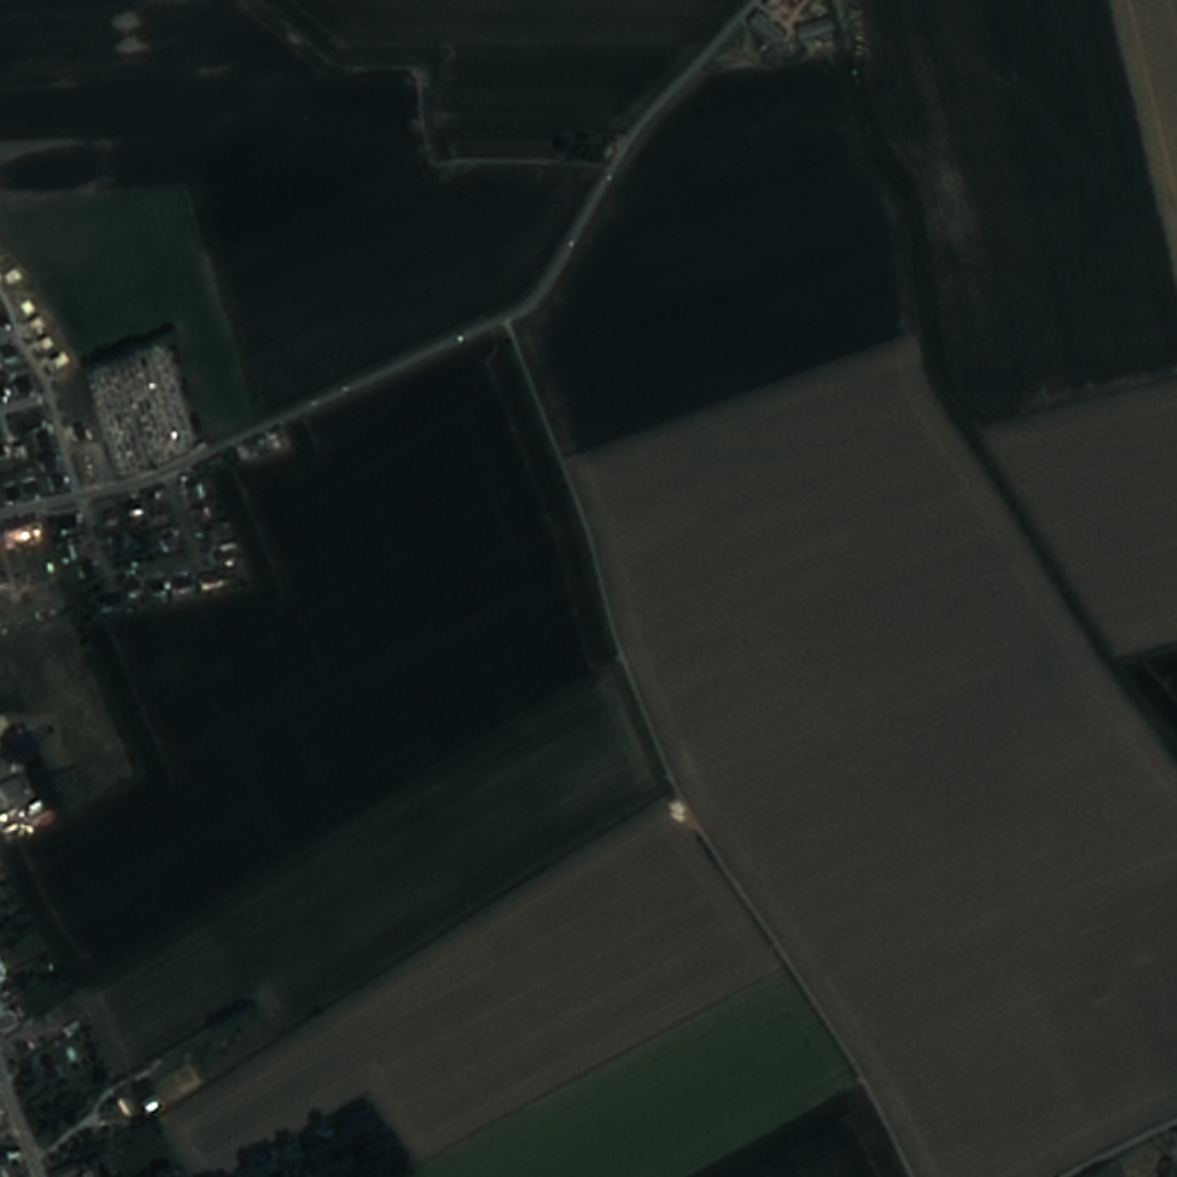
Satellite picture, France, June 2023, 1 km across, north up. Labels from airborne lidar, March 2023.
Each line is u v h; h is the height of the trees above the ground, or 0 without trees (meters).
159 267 0
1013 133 0
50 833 0
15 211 0
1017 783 0
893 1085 0
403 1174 18
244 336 0
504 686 0
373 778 0
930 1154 0
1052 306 0
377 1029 0
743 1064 0
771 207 0
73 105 0
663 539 0
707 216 0
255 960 0
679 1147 0
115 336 0
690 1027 0
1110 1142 0
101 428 0
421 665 0
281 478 0
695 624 0
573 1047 0
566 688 0
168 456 0
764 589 0
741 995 0
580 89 0
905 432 0
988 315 0
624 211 0
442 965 0
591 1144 0
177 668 0
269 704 0
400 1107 0
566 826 0
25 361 0
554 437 0
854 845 0
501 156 0
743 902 0
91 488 0
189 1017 0
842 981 0
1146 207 0
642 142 0
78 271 0
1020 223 0
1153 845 0
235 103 0
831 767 0
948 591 0
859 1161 0
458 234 0
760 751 0
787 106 0
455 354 0
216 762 0
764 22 0
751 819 0
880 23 0
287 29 0
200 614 0
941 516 0
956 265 0
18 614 0
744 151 0
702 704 0
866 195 0
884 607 0
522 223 0
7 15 0
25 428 0
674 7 0
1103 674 0
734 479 0
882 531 0
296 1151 12
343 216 0
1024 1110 0
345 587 0
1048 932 0
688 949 0
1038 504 0
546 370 0
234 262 0
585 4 0
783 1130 0
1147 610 0
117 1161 0
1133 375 0
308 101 0
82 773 0
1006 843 0
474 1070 0
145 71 0
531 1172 0
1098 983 0
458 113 0
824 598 0
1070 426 0
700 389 0
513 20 0
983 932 0
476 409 0
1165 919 0
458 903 0
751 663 0
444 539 0
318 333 0
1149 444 0
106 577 0
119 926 0
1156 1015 0
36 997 0
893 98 0
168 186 0
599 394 0
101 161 0
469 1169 0
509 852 0
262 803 0
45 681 0
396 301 0
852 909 0
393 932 0
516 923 0
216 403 0
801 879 0
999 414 0
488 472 0
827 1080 0
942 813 0
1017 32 0
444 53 0
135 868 0
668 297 0
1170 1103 0
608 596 0
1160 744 0
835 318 0
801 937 0
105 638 0
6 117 0
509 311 0
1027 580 0
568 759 0
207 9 0
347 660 0
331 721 0
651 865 0
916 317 0
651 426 0
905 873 0
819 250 0
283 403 0
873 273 0
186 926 0
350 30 0
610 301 0
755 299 0
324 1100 0
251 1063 0
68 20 0
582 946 0
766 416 0
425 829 0
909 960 0
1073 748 0
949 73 0
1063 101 0
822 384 0
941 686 0
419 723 0
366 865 0
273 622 0
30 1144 0
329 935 0
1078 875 0
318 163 0
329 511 0
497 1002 0
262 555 0
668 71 0
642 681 0
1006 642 0
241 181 0
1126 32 0
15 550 0
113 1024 0
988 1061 0
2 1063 0
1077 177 0
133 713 0
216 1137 0
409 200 0
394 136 0
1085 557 0
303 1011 0
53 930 0
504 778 0
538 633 0
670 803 0
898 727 0
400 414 0
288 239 0
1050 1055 0
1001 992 0
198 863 0
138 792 0
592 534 0
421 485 0
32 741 21
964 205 0
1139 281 0
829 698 0
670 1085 0
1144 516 0
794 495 0
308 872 0
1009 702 0
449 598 0
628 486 0
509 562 0
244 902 0
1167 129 0
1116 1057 0
